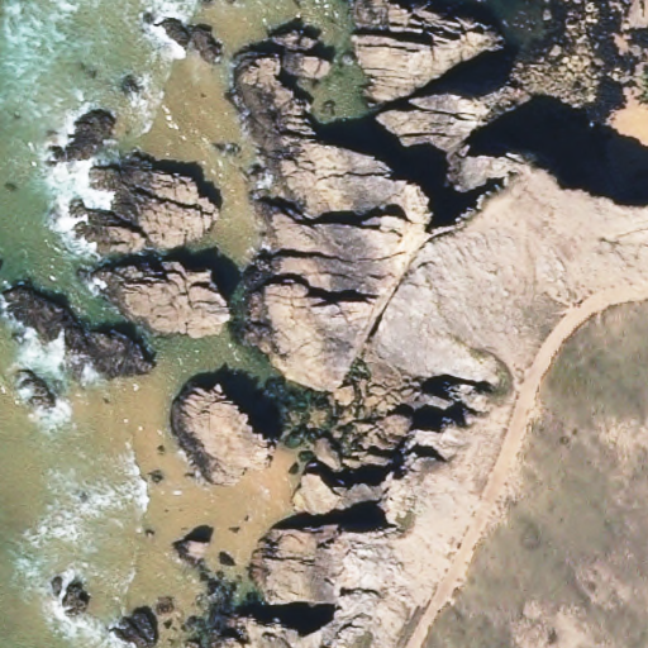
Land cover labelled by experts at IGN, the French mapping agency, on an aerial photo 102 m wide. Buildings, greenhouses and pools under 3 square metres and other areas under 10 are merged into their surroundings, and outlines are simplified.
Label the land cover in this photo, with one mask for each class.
<instances>
[{"label":"bare soil","instance_id":"1","mask_svg":"<svg viewBox=\"0 0 648 648\"><path fill-rule=\"evenodd\" d=\"M542 18L554 20V25L562 30L567 28V38L575 41V56L554 46L537 63L529 66L516 63L519 43H499V35H491L483 23H473L466 18L448 20L425 8L405 10L392 0H354V18L362 28L354 30L352 46L359 56V63L367 68V73H372V96L380 99L365 116L324 124L311 114V94L301 89L299 76H327V61L334 58V48L321 43L319 28L306 25L304 20L281 23L266 33V41L248 43L233 53V84L225 91V101L240 119L248 122V132L256 139L258 154L263 157L261 165H253L251 175H246V195L251 205H258L261 218H273V228L284 248L258 251L248 266H238L218 248H190L187 243L197 240L205 228L218 223V205H223L220 190L205 177L203 167L195 162L157 159L152 154L134 152L129 159L91 167V187L114 192V203L109 210L89 208L81 197L71 200V215L89 218V223L76 225V235L96 243V253L91 256L96 263L91 268L99 278L89 281V294L99 296L101 291L129 321L94 324L78 316L63 294L43 291L33 284V278L13 284L10 289H5V294H0V316L5 327L13 329L10 339H20L23 344L20 354L5 367L0 377V423L10 425L13 433H20L28 446L43 451V466L48 468L46 489L51 491L53 501L46 506V516L41 519V524L35 529H25L23 539L18 542V570L25 575V592H38L41 587L51 585L56 600L66 605L68 615H84L96 623L116 620V635L127 643H134L137 648H408L420 618L425 615L420 605L428 600L433 582L443 577L448 562V542L463 532V527L471 521V511H476L481 504L473 494L461 496L458 504H453L451 496L428 499L425 476L438 471V466H448L463 458V451H468V446L451 440L461 428H466V418H489L499 405L506 408L509 415H516L519 395L514 390L524 385V375L534 367L542 344L552 334V329L564 319V309L582 306L587 299L595 296L590 284L570 281V261L577 256L597 253L615 256L623 263V268H635L640 263V253L648 251V0H610V10H615L623 18L615 33V46L620 53L635 56V71H610L602 66L600 56L590 53L587 28L597 23V8L592 0H544ZM602 78L618 81L625 96V106L613 111L608 124L590 122L582 109L585 104L595 101L597 84ZM144 23H152L147 30V41L162 48V58H185V48L197 51L203 58L220 56V43L215 41L213 28L208 23H182L175 18L162 20L154 13H144ZM122 91L132 94L129 104L139 111L142 132L147 134L152 129V114L165 99V94L152 84L149 73H144L139 81L134 76H127L122 81ZM114 116L104 109H91L76 122V132L66 147L51 149L53 157H58L61 162H73L101 152L104 139L111 137ZM542 418L532 420V433L519 453L524 461L534 463L521 473L524 481L519 494L514 499H506L509 524L494 527L476 542L466 572L468 580L453 590V605H446L438 613V618L428 628L423 648H648V299L608 304L605 309L592 311L570 332V337H564L562 347L557 349L542 377V385L537 387Z\"/></svg>","mask_w":648,"mask_h":648},{"label":"water","instance_id":"2","mask_svg":"<svg viewBox=\"0 0 648 648\"><path fill-rule=\"evenodd\" d=\"M144 13H154L162 20L175 18L182 23H208L213 28L215 41L220 43V56L203 58L197 51L185 48V58H162V48L147 41V30L152 23H144ZM304 20L306 25L319 28L321 43L334 48V58L327 61V76H299L301 89L311 94V114L324 124L365 116L380 99L372 96V73H367V68L359 63V56L352 46L354 30L362 28L354 18V0H0V294H5V289H10L13 284L33 278V284L43 291L63 294L78 316L94 324L129 321L101 291L99 296L89 294V281L99 278L91 268L96 263L91 256L96 253V243L76 235V225L89 223V218L71 215V200L81 197L89 208L109 210L114 203V192L91 187V167L129 159L134 152L152 154L157 159L195 162L203 167L205 177L220 190L223 205H218V223L205 228L197 240L187 243L190 248H218L238 266H248L258 251L284 248L273 228V218H261L258 205H251L246 195V175H251L253 165H261L263 157L258 154L256 139L248 132V122L240 119L225 101V91L233 84V53L248 43L266 41V33L281 23ZM144 73H149L152 84L165 94V99L152 114V129L147 134L142 132L139 111L129 104L132 94L122 91V81L127 76H134L139 81ZM91 109H104L114 116L111 137L104 139L101 152L73 162H61L58 157H53L51 149L66 147L76 132V122ZM405 10L425 8L448 20L466 18L473 23H483L491 35H499V43H519L516 63L529 66L537 63L554 46L575 56V41L567 38V28L562 30L554 25V20L542 18L544 0H392ZM13 329L5 327L0 316V377L5 367L20 354L23 344L20 339H10ZM48 468L43 466V451L28 446L20 433H13L10 425L0 423V648H137L134 643H127L116 635V620L96 623L84 615H68L66 605L56 600L51 585L41 587L38 592H25V575L18 570V542L23 539L25 529H35L41 524V519L46 516V506L53 501L51 491L46 489Z\"/></svg>","mask_w":648,"mask_h":648},{"label":"pervious surface","instance_id":"3","mask_svg":"<svg viewBox=\"0 0 648 648\"><path fill-rule=\"evenodd\" d=\"M570 281L590 284L595 296L587 299L582 306L564 309V319L552 329V334L542 344L534 367L524 375V385L514 390L519 395L516 415H509L506 408L499 405L489 418H466V428H461L451 440L468 446V451H463V458L448 466H438V471L425 476L428 499L451 496L453 504H458L461 496L473 494L481 504L476 511H471V521L463 527V532L448 542V562L443 577L433 582L428 600L420 605L425 615L420 618L408 648H423L428 628L438 618V613L446 605H453V590L468 580L466 572L476 542L494 527L509 524L506 499H514L519 494L524 481L521 473L534 463L524 461L519 453L532 433V420L542 418L537 387L542 385V377L557 349L562 347L564 337H570V332L592 311L605 309L608 304L648 299V251L640 253V263L635 268H623V263L615 256L597 253L577 256L570 261Z\"/></svg>","mask_w":648,"mask_h":648},{"label":"herbaceous vegetation","instance_id":"4","mask_svg":"<svg viewBox=\"0 0 648 648\"><path fill-rule=\"evenodd\" d=\"M597 8V23L587 28L590 53L600 56L602 66L610 71H635V56L620 53L615 46V33L623 18L615 10H610V0H592ZM625 106V96L618 81L602 78L597 84L595 101L585 104L582 109L590 122L608 124L613 111Z\"/></svg>","mask_w":648,"mask_h":648}]
</instances>
